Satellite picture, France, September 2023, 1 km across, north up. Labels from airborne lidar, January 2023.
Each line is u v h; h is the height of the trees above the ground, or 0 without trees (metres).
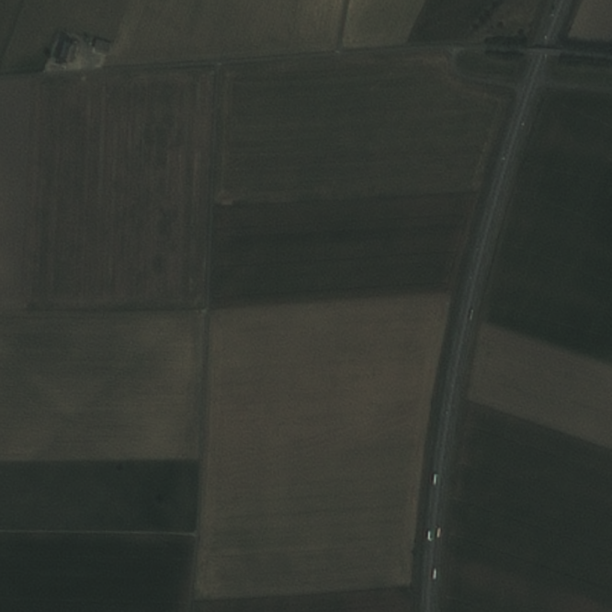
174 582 0
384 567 0
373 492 0
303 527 0
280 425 0
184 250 0
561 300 0
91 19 0
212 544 0
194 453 0
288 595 0
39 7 0
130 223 0
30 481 0
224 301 0
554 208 0
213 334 0
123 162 0
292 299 0
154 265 0
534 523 0
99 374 0
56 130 0
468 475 0
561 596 0
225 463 0
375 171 0
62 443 0
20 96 0
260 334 0
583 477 0
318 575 0
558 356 0
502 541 0
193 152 0
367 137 0
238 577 0
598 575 0
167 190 0
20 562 0
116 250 0
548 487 0
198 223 0
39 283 0
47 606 0
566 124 0
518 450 0
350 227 0
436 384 0
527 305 0
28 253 0
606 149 0
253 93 0
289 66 0
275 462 0
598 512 0
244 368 0
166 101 0
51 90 0
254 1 0
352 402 0
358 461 0
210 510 0
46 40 0
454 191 0
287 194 0
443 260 0
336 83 0
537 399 0
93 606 0
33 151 0
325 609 0
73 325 0
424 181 0
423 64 0
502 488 0
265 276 0
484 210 0
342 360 0
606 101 0
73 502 0
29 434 0
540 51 0
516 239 0
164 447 0
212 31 0
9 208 0
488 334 0
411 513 0
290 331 0
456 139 0
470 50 0
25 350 0
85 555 0
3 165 0
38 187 0
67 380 0
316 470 0
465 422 0
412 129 0
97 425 0
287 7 0
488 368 0
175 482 0
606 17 0
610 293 0
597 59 9
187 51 0
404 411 0
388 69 0
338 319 0
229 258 0
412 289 0
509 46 13
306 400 0
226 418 0
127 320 0
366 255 0
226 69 0
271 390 0
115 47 0
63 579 0
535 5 0
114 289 0
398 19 0
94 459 0
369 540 0
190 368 0
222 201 0
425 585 0
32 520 0
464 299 0
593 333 0
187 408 0
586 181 0
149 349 0
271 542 0
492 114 0
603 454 0
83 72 0
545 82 0
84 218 0
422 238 0
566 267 0
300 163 0
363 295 0
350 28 0
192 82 0
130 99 0
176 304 0
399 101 0
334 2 0
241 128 0
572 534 0
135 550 0
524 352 0
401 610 0
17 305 0
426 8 0
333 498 0
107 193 0
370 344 0
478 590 0
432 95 0
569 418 0
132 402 0
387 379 0
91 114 0
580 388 0
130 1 0
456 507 0
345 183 0
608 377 0
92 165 0
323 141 0
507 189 0
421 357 0
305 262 0
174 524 0
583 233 0
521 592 0
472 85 0
